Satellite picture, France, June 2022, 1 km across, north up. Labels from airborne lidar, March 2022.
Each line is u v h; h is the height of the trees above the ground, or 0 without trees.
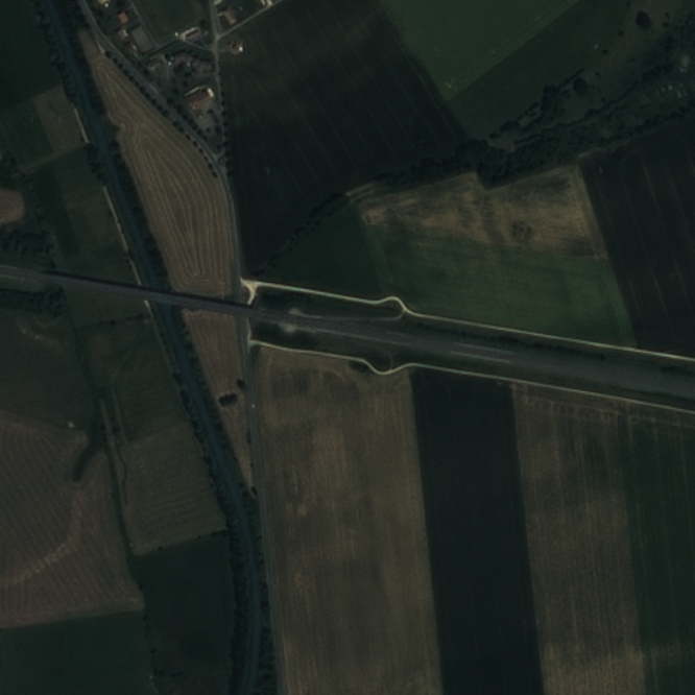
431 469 0
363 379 0
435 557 0
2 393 0
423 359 0
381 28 0
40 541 0
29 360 0
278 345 0
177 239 0
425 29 0
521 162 8
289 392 0
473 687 0
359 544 0
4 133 0
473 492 0
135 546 0
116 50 0
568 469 0
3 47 0
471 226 0
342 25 0
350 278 0
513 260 0
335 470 0
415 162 0
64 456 0
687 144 0
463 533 0
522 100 0
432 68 0
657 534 0
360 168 0
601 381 0
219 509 0
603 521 0
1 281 0
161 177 0
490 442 0
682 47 0
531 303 0
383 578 0
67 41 0
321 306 0
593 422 0
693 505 0
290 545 0
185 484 0
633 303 0
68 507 0
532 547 0
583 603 0
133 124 0
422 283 0
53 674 0
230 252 0
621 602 0
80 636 0
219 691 0
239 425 0
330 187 0
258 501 0
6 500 0
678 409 0
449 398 0
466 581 0
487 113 0
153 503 0
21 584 0
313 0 0
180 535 0
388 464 0
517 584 0
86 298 0
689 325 0
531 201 0
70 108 0
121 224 0
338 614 0
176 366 0
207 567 0
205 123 0
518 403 0
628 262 0
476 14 0
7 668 0
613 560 0
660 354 0
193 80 0
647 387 0
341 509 0
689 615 0
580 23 0
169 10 0
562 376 0
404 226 0
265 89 0
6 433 0
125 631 0
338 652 0
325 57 0
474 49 0
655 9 0
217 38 0
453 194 0
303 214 0
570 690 0
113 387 0
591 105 0
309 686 0
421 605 0
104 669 0
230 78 0
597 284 0
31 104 0
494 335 0
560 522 0
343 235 0
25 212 0
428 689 0
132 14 0
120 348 0
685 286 0
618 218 0
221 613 0
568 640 0
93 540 0
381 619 0
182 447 0
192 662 0
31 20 0
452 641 0
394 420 0
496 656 0
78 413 0
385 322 0
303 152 0
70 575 0
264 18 0
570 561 0
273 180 0
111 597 0
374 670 0
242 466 0
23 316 0
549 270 0
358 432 0
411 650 0
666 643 0
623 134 7
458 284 0
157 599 0
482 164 15
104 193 0
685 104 0
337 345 0
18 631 0
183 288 0
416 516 0
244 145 0
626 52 0
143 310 0
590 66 0
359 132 0
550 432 0
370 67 0
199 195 0
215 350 0
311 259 0
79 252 0
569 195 0
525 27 0
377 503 0
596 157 0
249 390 0
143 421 0
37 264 0
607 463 0
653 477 0
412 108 0
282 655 0
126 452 0
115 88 0
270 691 7
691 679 0
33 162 0
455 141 0
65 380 0
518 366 0
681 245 0
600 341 0
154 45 0
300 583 0
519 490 0
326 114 0
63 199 0
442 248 0
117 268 0
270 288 0
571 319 0
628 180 0
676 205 0
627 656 0
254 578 0
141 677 0
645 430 0
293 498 0
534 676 0
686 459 0
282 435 0
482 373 0
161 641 0
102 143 0
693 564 0
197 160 0
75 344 0
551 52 0
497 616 0
